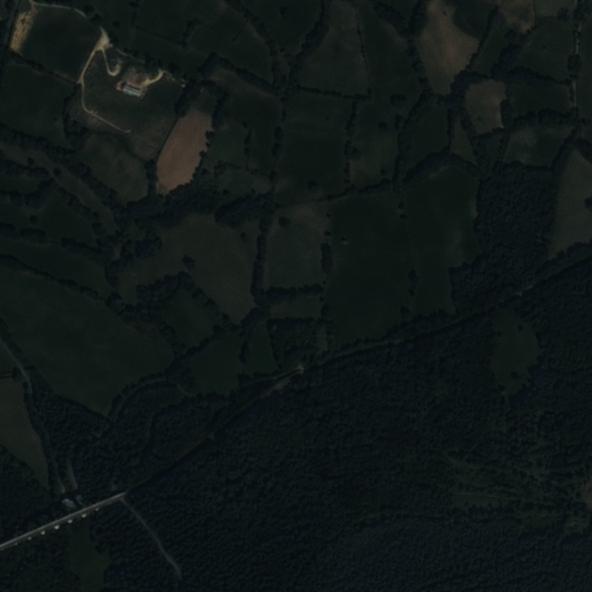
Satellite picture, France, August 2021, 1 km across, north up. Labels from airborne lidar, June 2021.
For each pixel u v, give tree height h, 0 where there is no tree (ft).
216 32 0
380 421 68
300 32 0
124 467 53
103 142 0
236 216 72
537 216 53
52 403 78
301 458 72
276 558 90
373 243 0
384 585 32
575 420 72
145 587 89
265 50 0
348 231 0
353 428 66
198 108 0
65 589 78
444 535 35
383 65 0
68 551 48
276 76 46
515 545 47
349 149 41
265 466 41
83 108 0
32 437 0
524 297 46
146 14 0
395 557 42
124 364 0
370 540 18
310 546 69
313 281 0
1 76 50
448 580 34
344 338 0
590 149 67
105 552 69
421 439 65
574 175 0
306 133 0
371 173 0
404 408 83
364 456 55
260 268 51
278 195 0
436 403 58
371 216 0
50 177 47
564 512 28
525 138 0
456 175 0
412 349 50
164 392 64
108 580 45
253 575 79
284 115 34
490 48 0
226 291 0
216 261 0
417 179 53
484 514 45
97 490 109
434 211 0
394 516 46
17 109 0
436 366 78
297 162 0
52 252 0
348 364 50
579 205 0
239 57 0
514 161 0
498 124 0
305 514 71
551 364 66
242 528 59
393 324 0
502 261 58
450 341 72
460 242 0
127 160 0
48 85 0
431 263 0
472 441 45
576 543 47
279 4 0
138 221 67
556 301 57
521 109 0
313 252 0
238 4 52
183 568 81
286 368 41
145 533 103
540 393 78
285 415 80
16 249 0
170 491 81
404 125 27
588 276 57
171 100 0
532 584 58
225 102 61
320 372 59
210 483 58
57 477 68
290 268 0
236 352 0
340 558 35
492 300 66
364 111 0
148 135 0
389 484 38
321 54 0
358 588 43
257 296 54
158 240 63
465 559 54
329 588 21
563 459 27
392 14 64
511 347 0
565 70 0
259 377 37
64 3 47
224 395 0
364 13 0
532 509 52
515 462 52
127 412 58
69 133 65
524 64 0
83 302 0
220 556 104
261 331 0
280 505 57
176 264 0
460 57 0
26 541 70
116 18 0
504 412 66
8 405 0
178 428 70
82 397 0
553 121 66
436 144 0
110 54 0
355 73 0
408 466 72
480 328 85
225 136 0
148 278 0
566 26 75
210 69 58
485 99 0
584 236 0
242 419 42
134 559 98
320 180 0
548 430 46
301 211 0
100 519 104
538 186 54
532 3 0
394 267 0
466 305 54
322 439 86
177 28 0
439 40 0
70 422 74
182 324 0
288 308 0
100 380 0
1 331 56
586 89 0
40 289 0
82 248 54
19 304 0
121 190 0
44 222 0
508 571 56
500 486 54
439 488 59
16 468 66
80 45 0
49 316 0
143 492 41
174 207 80
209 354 0
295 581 54
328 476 30
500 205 50
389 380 82
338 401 83
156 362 0
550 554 42
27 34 0
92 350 0
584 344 53
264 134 0
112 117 0
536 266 59
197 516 96
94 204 0
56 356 0
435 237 0
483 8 0
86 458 87
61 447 67
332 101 0
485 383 82
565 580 38
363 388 60
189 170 0
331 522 60
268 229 52
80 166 47
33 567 94
